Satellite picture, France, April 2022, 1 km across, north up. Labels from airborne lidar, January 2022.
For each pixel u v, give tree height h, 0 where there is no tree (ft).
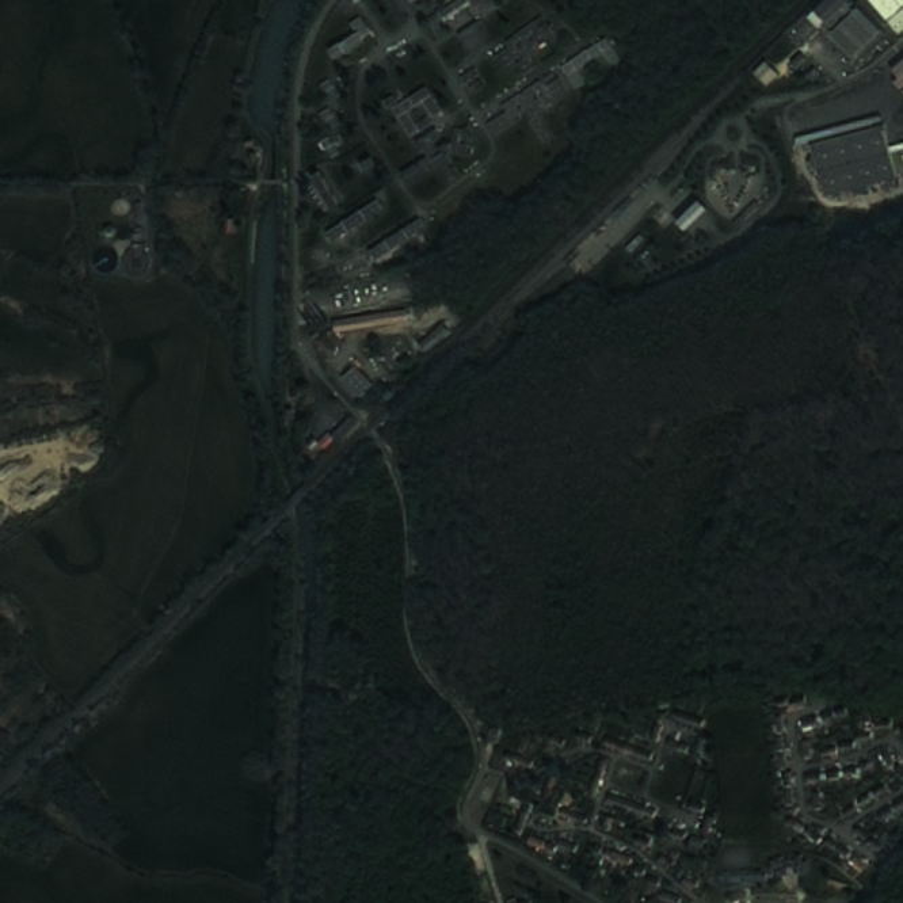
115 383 0
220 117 0
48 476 0
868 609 77
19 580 0
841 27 0
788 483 81
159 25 0
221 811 0
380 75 62
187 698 0
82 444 0
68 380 0
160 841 0
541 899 46
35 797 0
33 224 0
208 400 0
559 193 93
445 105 34
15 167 0
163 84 0
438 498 77
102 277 0
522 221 89
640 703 52
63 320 0
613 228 0
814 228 43
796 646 90
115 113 0
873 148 0
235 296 72
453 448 56
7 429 0
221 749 0
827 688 71
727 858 0
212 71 0
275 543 55
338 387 0
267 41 0
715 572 87
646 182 0
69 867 0
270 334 0
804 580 98
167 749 0
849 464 93
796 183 0
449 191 0
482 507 78
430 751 68
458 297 85
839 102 0
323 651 80
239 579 0
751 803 0
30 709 0
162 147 46
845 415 84
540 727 45
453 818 56
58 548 0
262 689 0
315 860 75
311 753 65
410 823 67
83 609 0
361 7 0
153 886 0
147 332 0
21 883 0
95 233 0
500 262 86
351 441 0
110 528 0
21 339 0
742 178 0
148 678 0
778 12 27
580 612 51
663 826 61
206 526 0
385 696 66
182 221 0
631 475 51
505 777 0
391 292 0
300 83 0
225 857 0
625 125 87
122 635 0
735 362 41
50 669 0
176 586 0
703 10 83
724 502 78
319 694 69
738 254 50
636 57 75
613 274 0
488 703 83
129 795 0
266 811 0
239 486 0
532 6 0
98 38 0
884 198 0
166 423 0
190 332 0
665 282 58
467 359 46
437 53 0
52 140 0
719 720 0
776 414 85
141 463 0
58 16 0
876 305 97
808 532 87
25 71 0
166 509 0
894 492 94
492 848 0
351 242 0
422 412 48
